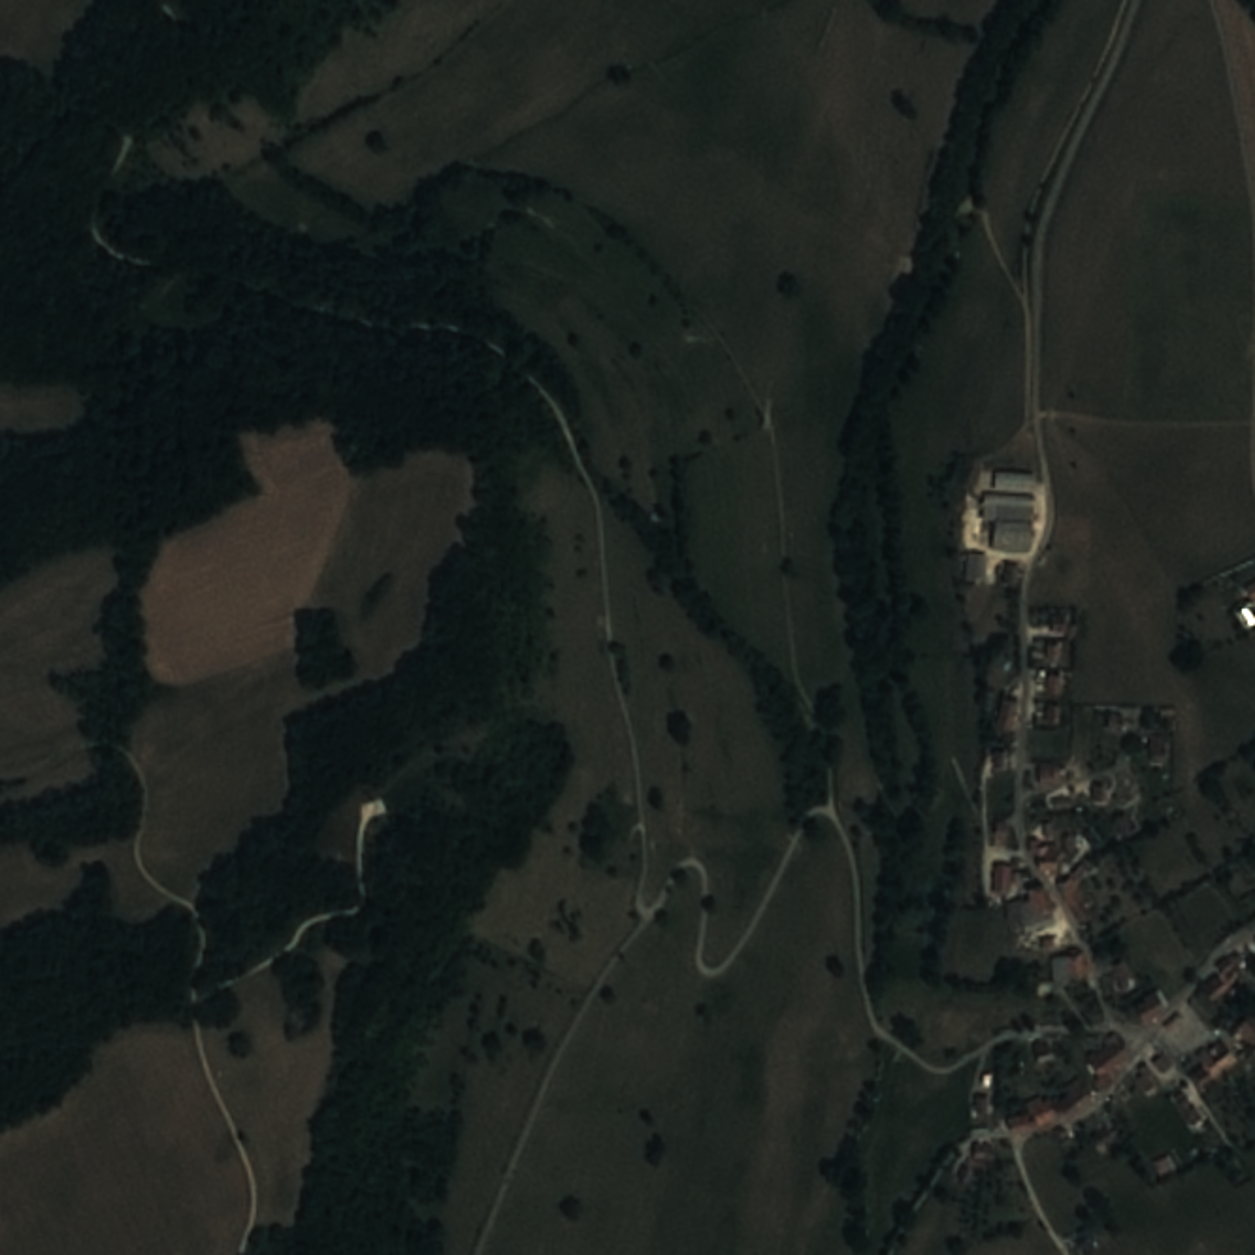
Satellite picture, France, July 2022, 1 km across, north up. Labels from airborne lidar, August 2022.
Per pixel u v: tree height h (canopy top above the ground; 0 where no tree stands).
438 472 0
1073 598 0
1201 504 0
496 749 9
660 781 0
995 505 0
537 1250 0
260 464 0
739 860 0
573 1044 0
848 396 0
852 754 0
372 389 25
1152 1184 7
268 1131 0
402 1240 17
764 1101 0
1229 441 0
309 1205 13
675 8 0
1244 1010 14
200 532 0
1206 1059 0
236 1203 0
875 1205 0
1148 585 0
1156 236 0
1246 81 0
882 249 0
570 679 0
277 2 18
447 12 0
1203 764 0
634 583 0
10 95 16
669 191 0
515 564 8
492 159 0
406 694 15
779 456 0
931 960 15
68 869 0
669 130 0
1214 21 0
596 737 0
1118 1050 0
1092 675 0
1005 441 0
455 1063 0
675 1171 0
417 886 16
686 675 0
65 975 13
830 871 0
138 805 12
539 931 0
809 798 9
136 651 24
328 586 0
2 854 0
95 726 15
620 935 0
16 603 0
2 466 18
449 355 19
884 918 16
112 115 18
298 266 28
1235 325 0
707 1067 0
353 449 16
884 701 21
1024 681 0
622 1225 0
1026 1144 0
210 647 0
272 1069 0
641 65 0
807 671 0
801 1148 0
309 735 16
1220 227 0
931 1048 0
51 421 0
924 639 0
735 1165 0
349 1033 14
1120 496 0
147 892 0
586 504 0
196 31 14
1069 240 0
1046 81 0
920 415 0
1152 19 0
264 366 27
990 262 0
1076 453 0
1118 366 0
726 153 0
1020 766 0
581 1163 0
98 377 21
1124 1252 0
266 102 13
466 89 0
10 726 0
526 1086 0
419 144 0
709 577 0
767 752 0
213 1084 0
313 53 8
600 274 0
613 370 0
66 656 0
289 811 7
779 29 0
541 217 0
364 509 0
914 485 0
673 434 0
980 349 0
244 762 0
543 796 9
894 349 21
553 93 0
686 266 0
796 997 0
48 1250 0
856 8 0
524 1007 0
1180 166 0
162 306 0
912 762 0
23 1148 0
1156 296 0
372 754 6
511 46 0
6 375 16
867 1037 0
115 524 18
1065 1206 0
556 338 0
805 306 0
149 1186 0
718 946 0
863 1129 14
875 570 12
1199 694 0
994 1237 7
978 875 0
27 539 15
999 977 12
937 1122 0
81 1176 0
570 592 0
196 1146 0
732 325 0
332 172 0
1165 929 0
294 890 12
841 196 0
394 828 14
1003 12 17
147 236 25
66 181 18
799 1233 0
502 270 0
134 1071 0
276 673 0
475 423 14
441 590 14
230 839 0
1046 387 0
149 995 9
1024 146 0
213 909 16
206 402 19
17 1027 10
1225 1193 0
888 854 12
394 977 19
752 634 0
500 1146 0
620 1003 0
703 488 0
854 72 0
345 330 20
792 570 11
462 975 10
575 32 0
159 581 0
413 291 30
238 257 24
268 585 0
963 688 0
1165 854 0
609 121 0
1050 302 0
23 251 16
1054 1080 6
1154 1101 0
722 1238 0
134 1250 0
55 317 19
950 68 0
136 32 19
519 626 8
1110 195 0
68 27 0
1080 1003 8
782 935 0
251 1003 0
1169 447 0
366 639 0
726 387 0
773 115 0
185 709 0
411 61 0
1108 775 0
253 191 0
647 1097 0
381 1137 8
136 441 23
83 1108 0
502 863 11
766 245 0
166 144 6
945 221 14
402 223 16
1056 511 0
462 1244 0
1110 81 0
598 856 11
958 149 13
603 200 0
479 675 11
